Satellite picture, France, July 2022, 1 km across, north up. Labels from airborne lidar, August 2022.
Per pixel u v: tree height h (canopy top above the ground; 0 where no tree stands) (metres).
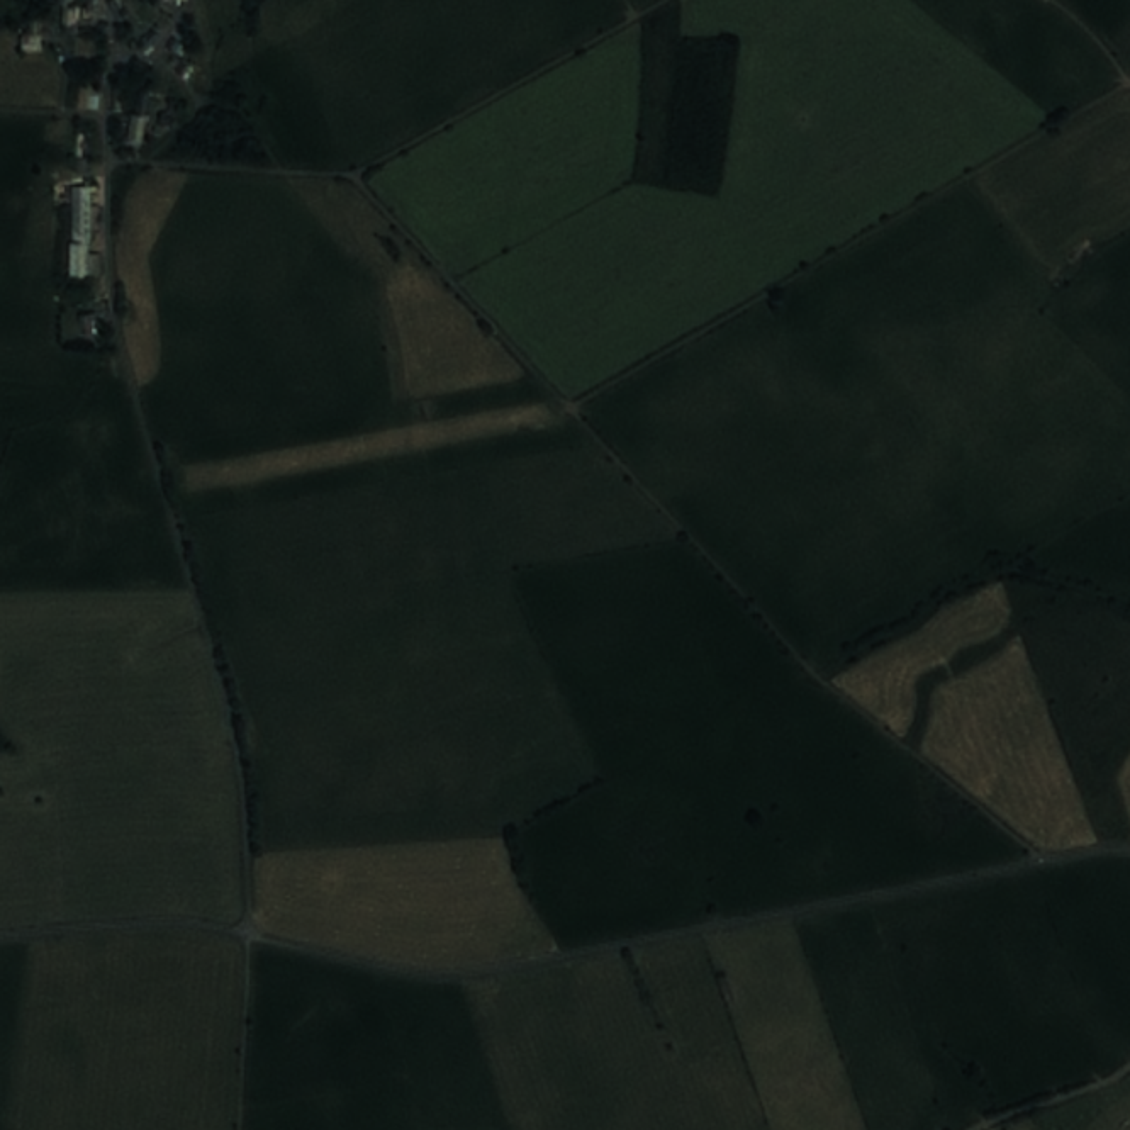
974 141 0
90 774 0
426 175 0
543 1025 0
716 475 0
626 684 0
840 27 0
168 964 0
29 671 0
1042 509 0
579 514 0
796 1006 0
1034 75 0
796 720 0
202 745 0
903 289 0
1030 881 0
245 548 0
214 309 0
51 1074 0
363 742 0
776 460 0
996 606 0
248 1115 0
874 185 0
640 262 0
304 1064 0
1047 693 0
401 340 0
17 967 0
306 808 0
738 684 0
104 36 13
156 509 0
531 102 0
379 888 0
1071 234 0
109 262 0
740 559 0
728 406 0
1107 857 0
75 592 0
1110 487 0
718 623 0
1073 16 0
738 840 0
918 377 0
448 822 0
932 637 0
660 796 0
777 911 0
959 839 0
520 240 0
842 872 0
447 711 0
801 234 0
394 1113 0
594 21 0
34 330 0
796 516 0
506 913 0
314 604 0
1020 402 0
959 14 0
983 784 0
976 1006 0
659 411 0
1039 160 0
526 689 0
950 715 0
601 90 0
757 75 0
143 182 0
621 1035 0
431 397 0
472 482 0
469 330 0
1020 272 0
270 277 0
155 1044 0
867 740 0
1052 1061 0
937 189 0
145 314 0
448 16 0
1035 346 0
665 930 0
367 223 0
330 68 0
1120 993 0
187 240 0
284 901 0
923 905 0
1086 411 0
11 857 0
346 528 0
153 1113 0
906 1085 0
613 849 0
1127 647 0
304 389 0
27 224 0
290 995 0
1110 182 0
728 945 0
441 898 0
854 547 0
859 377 0
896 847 0
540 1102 0
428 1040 0
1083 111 0
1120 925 0
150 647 0
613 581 0
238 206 0
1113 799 0
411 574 0
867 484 0
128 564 0
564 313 0
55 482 0
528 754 0
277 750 0
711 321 0
